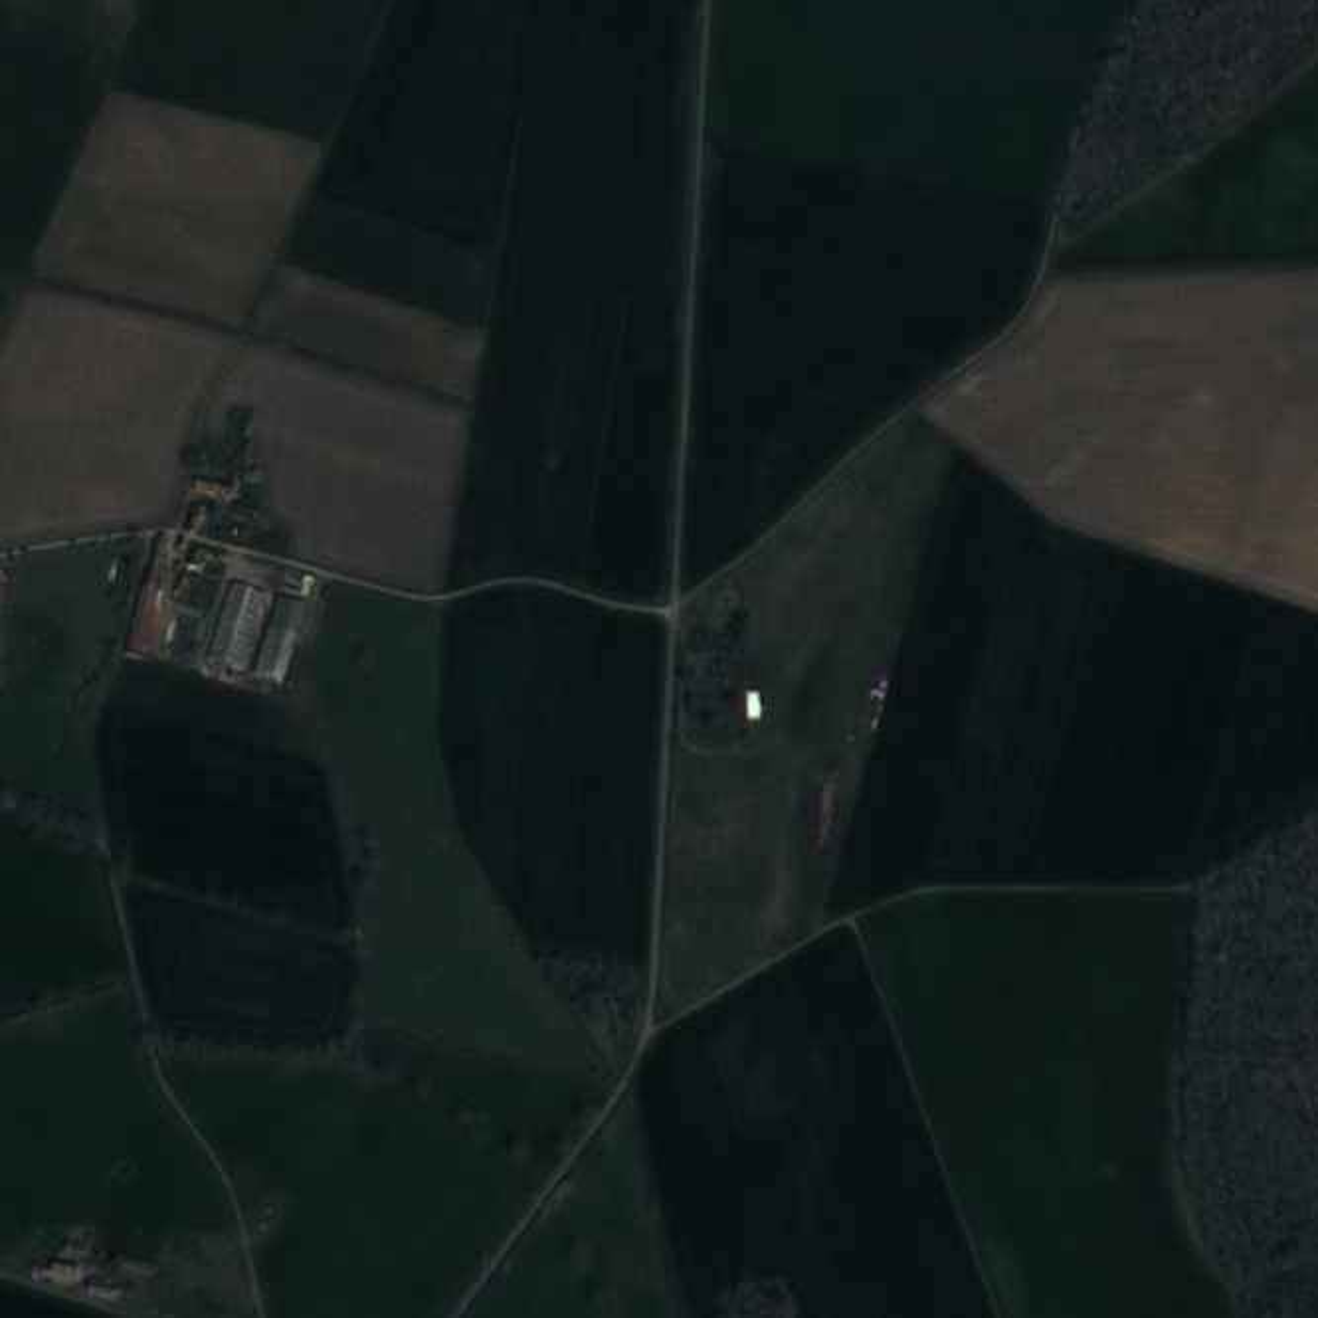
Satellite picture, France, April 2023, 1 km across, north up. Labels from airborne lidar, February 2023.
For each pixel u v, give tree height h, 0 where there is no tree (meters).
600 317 0
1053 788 0
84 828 17
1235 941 17
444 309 0
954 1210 0
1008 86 0
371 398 0
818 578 0
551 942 0
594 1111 12
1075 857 0
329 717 0
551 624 0
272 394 0
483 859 0
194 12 0
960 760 0
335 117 0
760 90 0
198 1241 0
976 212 0
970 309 0
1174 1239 0
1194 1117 16
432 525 0
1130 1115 0
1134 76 11
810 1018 0
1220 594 0
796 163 0
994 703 0
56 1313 0
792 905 0
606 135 0
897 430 0
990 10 0
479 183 0
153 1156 0
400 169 0
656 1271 0
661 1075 0
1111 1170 0
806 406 0
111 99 0
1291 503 0
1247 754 0
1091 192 10
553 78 0
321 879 0
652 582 0
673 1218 0
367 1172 0
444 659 0
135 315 0
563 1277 0
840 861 0
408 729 0
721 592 0
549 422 0
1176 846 0
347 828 0
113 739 0
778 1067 0
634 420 0
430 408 0
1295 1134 16
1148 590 0
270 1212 0
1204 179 0
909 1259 0
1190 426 0
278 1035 0
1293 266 0
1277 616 0
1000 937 0
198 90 0
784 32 0
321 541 0
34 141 0
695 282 0
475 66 0
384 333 0
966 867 0
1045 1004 0
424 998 0
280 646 0
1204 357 0
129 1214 0
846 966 0
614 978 8
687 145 0
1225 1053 14
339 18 0
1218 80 21
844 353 0
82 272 0
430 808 0
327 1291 0
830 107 0
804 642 0
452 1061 0
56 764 0
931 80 0
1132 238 0
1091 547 0
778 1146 0
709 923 0
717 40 0
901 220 0
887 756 0
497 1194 0
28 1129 0
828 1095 0
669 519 0
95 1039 0
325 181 0
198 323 0
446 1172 0
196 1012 0
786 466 0
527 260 0
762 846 0
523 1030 0
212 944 0
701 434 0
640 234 0
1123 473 0
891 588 0
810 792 0
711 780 0
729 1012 0
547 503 0
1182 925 0
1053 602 0
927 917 0
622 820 0
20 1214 0
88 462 0
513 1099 0
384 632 0
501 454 0
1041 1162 0
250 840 0
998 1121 0
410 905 0
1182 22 21
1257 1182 14
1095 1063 0
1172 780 0
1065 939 0
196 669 0
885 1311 0
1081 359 0
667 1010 0
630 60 0
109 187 0
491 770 0
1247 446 0
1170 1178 0
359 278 0
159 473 0
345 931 9
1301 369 0
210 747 0
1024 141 0
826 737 0
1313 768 0
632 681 0
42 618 0
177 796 0
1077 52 0
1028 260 0
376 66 0
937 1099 0
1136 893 0
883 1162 0
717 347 0
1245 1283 12
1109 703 0
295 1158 0
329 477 0
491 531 0
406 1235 0
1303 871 15
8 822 0
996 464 0
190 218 0
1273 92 10
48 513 0
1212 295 0
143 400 0
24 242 0
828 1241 0
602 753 0
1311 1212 15
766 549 0
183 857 0
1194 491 0
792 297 0
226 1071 0
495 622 0
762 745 0
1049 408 0
